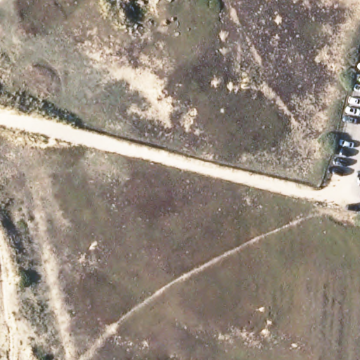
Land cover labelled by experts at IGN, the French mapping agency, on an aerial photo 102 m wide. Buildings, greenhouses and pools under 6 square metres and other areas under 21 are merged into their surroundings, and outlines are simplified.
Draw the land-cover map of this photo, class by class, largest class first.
<instances>
[{"label":"herbaceous vegetation","instance_id":"1","mask_svg":"<svg viewBox=\"0 0 360 360\"><path fill-rule=\"evenodd\" d=\"M86 0H15V10L20 17V27L15 30V35L21 41L22 52L15 62H11V59L8 62L1 59V69L11 70L10 79L3 86L8 90L13 87V80L27 82L30 86L27 91L35 97L51 101L62 110L75 112L84 124L104 129L110 120L114 124L121 122L122 128L117 131L118 134L134 138L135 141L153 142L159 145L156 149L195 160L200 153L207 152L217 155L219 160L233 162L240 159L243 153L253 155L257 150L274 148L290 134V118L277 104L271 103L269 97L253 100L252 90H228V83H240L243 72L247 73L256 86L266 83L280 96L290 111L295 110V105L291 103V96L294 94L305 98V94H314L315 101L312 105L316 107L321 103L319 94L325 93L329 69L322 62H315V56L325 46H332L328 34L322 31V25L328 24L332 27L333 24H343L346 21L345 3L342 0H170L166 8V21H170L167 31H156L152 35L157 41L165 42L173 49L176 60L173 72L167 77L165 89L167 96L180 100L181 104L179 110L170 112L172 125L166 128L160 120H148L139 117L138 114H128L131 105L135 104L138 107L146 97L138 90H131L127 80L101 83L103 76L110 72L105 69H94L90 65L89 56L83 55L73 39L67 37L63 31L60 25L62 21L69 20ZM125 17L135 22L138 27H142L145 17L138 0H128L124 8ZM127 181L87 183V173H52L53 197L59 202L63 217L73 228L72 233L65 235L70 239L69 249L73 245H79L82 240H87L90 245L91 242H97L94 249L96 269L80 280L70 281L62 291L70 323L77 329H84L87 336L96 339L108 325L117 322L121 315L127 314L129 309L181 274L207 263L208 260L255 238L260 233L288 224L297 217H300L302 222L287 231L259 240L214 266L173 285L155 301L122 323L120 328L107 337L103 346L90 360H360V226L352 225L349 221H339L330 215L319 214V208L328 205L326 201L276 193L131 156L127 160ZM232 326L255 333V340L262 343V347L259 349L246 346L245 340L240 336H233V343L218 340V335H228Z\"/></svg>","mask_w":360,"mask_h":360},{"label":"bare soil","instance_id":"2","mask_svg":"<svg viewBox=\"0 0 360 360\"><path fill-rule=\"evenodd\" d=\"M15 0H0V93L3 86L10 79L11 70L1 69V59L8 62L11 59V62H15L22 52L21 41L15 35V30L20 27V17L15 10ZM170 0H138L145 17L142 27H138L135 22L125 17L124 8L128 0H86L69 20L62 21L60 25L63 31L67 37L73 39L83 55L89 56L90 65L94 69H105L110 72L103 76L101 83L127 80L131 90H138L146 97L138 107L135 104L131 105L128 114H138L139 117L148 120H160L166 128L172 125L170 112L179 110L181 104L180 100L167 96L165 89L167 77L173 72L176 60L173 49L165 42L157 41L152 35L156 31H167L170 21H166V8ZM345 3L346 21L343 24H333L332 27L328 24L322 25V31L328 34L332 46H325L315 56V62H322L329 69L325 93L319 94L321 103L316 107L312 105L315 101L314 94H305V98L294 94L291 96V103L295 105V110L290 111L280 96L266 83L256 86L247 73L243 72L240 83H228V90H252L253 100L269 97L271 103L277 104L290 118V134L274 148L257 150L253 155L243 153L240 159L233 162L219 160L217 155L207 152L200 153L195 160L301 184L312 190H323L322 159L319 149L321 143L316 141V138L319 131L329 132H345V125L352 121L353 115L346 114L345 111L354 91L352 73L347 72L346 67L352 65L356 58L354 51L360 44V0H342ZM122 128L121 122L114 124L110 120L104 129L84 124L80 129L117 141L156 149L159 145L153 142L135 141L134 138L118 134L117 131ZM48 135L0 124V224L6 232L7 245L11 247L8 250L11 264L18 271L35 270L41 276L39 283L32 284L31 287H22L20 283L15 285L20 308L13 311L14 321H27L34 326V336L28 339L32 354L37 360H66L65 347L59 339L58 319L55 312L48 307L49 285L48 281L42 278L46 276V270L41 264L42 246L46 243L51 245V252L58 264L59 291H62L70 281L80 280L96 269L94 249L97 242H91L90 245L87 240H82L79 245H73L69 249L70 239L65 235L72 233L73 228L63 217L59 202L53 197L52 173H87V183L127 181V160L131 156L90 146L73 145L72 142L59 138L55 139V145L51 146ZM69 335L75 340V360H79L96 339L87 336L84 329H77L70 323ZM233 336H240L245 340L246 346L259 349L262 347V343L255 340V333L232 326L228 335H218V340L233 343Z\"/></svg>","mask_w":360,"mask_h":360},{"label":"pervious surface","instance_id":"3","mask_svg":"<svg viewBox=\"0 0 360 360\"><path fill-rule=\"evenodd\" d=\"M356 58L352 65L346 67L347 72L352 73L354 91L345 111L346 114L353 115L352 121L345 125V132H329L335 138V150L332 155H326L322 159L323 190H312L301 184L195 160L156 149L117 141L80 129L58 120H46L34 112L25 115L0 105V124L48 135L51 146L55 145V139L59 138L72 142L73 145L90 146L131 156L276 193L326 201L328 205L319 208V214L330 215L339 221H349L352 225L360 226V44L354 51ZM302 222L300 217H297L288 224L260 233L255 238L208 260L207 263L181 274L129 309L127 314L121 315L117 322L108 325L96 339L79 360H90L103 346L107 337L120 328L122 323L155 301L173 285L214 266L259 240L287 231ZM11 247L7 245L6 232L0 224V360H37L32 354L28 339L34 336V326L27 321H14L13 311L20 308L15 285L20 283L18 271L11 264L8 250ZM41 264L46 270V276L42 278L48 281L49 285L48 307L55 312L58 319L59 339L65 347L66 360H75V340L69 335L70 323L62 291H59L58 264L51 252V245L46 243L42 246Z\"/></svg>","mask_w":360,"mask_h":360},{"label":"brushwood","instance_id":"4","mask_svg":"<svg viewBox=\"0 0 360 360\"><path fill-rule=\"evenodd\" d=\"M30 86L27 82L13 80V87L8 90L3 86L0 93V105L25 115L34 112L46 120H58L80 129L84 124L75 112L62 110L51 101L35 97L27 91ZM316 141L321 143L319 149L322 159L326 155H332L335 150V138L329 132L319 131L316 138ZM20 283L22 287H31L32 284L39 283L41 276L35 270L18 271Z\"/></svg>","mask_w":360,"mask_h":360}]
</instances>
